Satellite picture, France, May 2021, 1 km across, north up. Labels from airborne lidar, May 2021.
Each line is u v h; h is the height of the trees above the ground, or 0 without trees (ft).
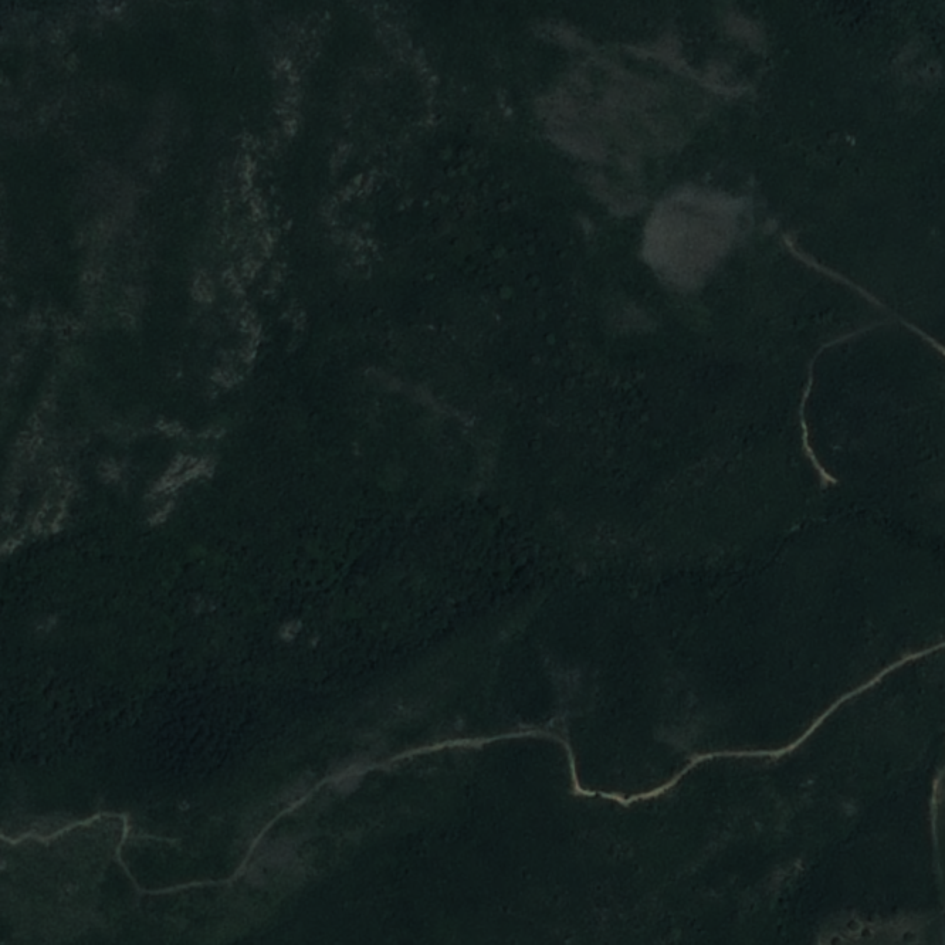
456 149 26
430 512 37
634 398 19
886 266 0
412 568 31
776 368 18
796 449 21
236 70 34
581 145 0
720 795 20
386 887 20
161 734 37
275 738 22
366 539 26
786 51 28
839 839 23
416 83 20
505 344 18
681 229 0
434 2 23
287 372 23
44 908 0
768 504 24
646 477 18
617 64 0
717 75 0
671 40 0
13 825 0
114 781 19
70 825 0
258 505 18
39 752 46
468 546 38
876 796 19
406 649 38
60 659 21
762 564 32
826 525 21
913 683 18
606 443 18
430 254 18
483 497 37
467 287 19
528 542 43
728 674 20
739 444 18
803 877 26
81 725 60
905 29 19
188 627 17
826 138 27
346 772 0
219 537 20
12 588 27
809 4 28
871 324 0
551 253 19
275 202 18
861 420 20
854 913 29
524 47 19
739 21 0
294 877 0
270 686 39
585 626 18
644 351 24
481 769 18
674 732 0
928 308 0
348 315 19
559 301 19
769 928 20
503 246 40
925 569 21
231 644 21
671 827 17
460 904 17
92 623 18
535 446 38
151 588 20
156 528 21
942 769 0
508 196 18
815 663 22
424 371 25
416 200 19
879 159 21
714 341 32
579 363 34
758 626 17
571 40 0
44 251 24
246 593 22
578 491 17
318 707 33
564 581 22
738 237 0
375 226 17
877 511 22
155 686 30
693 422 18
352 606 22
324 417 20
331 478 24
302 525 28
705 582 42
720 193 0
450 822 20
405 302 17
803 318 26
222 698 39
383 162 24
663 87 0
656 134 0
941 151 25
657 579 30
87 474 19
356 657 38
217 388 19
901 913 44
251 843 0
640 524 25
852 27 21
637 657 17
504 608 30
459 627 44
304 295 20
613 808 33
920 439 32
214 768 29
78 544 49
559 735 0
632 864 18
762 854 19
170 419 20
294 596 40
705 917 17
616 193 0
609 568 25
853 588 20
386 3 22
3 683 23
